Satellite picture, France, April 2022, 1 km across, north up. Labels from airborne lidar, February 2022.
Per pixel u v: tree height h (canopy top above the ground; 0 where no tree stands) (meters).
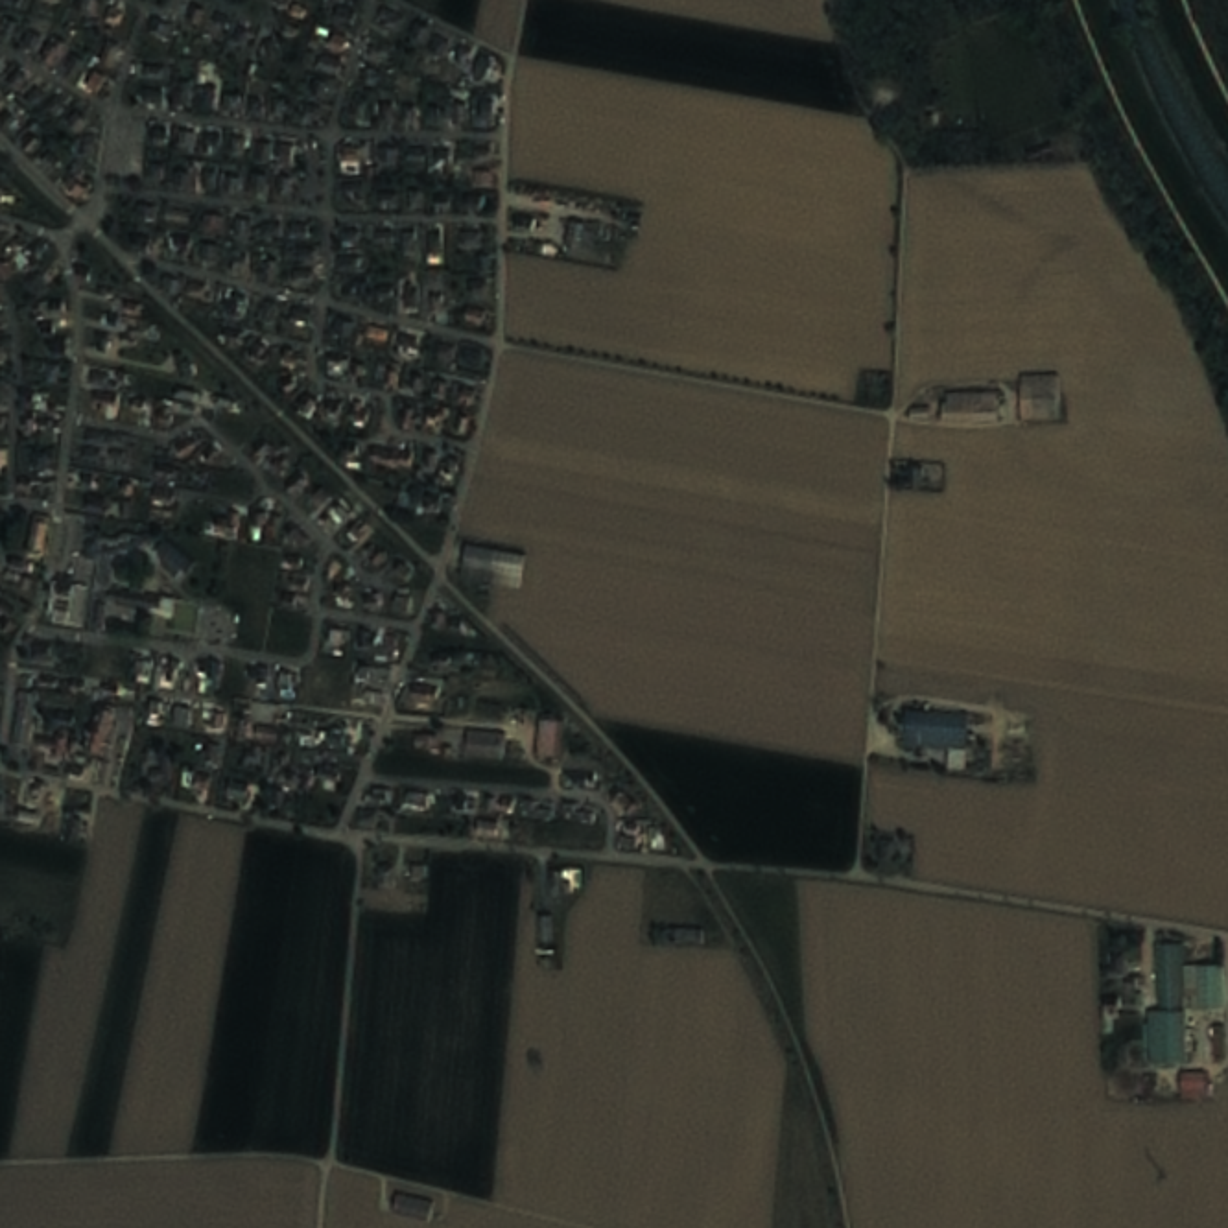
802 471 0
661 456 0
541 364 0
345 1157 0
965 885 0
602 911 0
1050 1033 0
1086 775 0
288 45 10
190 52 0
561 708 0
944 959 0
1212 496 0
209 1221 0
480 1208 0
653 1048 0
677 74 0
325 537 0
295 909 0
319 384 0
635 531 0
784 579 0
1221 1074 0
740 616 0
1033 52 0
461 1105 0
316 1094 0
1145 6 8
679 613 0
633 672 0
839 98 0
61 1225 0
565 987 0
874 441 0
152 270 13
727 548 0
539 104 0
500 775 0
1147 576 0
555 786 0
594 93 0
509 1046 0
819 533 0
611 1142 0
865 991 0
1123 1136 0
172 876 0
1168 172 0
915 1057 0
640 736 0
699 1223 0
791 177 0
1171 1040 0
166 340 0
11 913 0
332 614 0
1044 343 0
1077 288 0
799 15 0
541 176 0
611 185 0
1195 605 0
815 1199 0
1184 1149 0
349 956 0
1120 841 0
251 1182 0
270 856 0
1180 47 0
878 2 20
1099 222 0
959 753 0
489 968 0
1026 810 0
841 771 0
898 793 0
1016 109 0
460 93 0
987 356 0
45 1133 0
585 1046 0
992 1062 0
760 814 0
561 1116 0
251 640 0
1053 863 0
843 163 0
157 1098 0
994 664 0
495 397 0
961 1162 0
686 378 0
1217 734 0
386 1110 0
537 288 0
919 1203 0
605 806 0
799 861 0
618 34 0
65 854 0
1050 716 0
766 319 0
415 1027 0
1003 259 0
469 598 0
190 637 0
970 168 16
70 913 0
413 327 0
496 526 0
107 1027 0
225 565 6
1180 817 0
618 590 0
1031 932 0
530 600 0
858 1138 0
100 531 8
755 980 0
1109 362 0
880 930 0
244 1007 0
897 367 0
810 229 0
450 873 0
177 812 0
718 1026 0
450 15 0
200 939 0
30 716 0
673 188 0
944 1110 0
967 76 0
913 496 0
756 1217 0
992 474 0
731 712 0
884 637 0
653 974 0
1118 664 0
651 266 0
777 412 0
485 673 0
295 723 7
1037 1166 0
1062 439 0
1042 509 0
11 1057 0
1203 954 0
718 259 0
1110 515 0
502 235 0
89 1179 0
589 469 0
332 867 0
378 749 0
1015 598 0
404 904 0
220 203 0
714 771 0
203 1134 0
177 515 0
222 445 0
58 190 0
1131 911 0
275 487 0
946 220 0
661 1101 0
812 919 0
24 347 0
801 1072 0
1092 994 0
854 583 0
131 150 0
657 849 0
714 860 0
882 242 0
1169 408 0
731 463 0
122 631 14
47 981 0
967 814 0
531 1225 0
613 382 0
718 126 0
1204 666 0
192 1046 0
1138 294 0
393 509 7
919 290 0
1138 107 0
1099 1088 0
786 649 0
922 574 0
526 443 0
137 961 0
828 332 0
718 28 0
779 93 0
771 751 0
